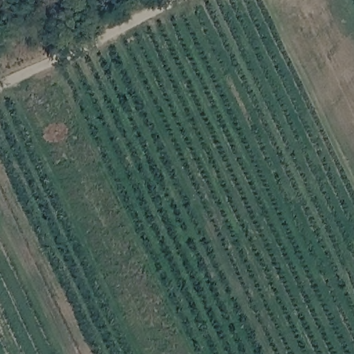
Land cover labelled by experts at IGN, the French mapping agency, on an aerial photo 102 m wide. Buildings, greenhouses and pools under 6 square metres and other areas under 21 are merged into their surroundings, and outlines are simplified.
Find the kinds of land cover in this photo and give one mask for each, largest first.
<instances>
[{"label":"agricultural land","instance_id":"1","mask_svg":"<svg viewBox=\"0 0 354 354\"><path fill-rule=\"evenodd\" d=\"M169 1L173 4L170 14H159L156 18H149L136 28L127 30L111 44L101 47L97 53L100 59L97 64H93V61L86 62L83 57L72 59L68 55L66 71L71 75L75 72V64H79L87 83L91 86L90 90H84L82 97L73 100L71 86L62 75H59L54 66L22 80L17 86L6 88L0 94V354H354V0H169Z\"/></svg>","mask_w":354,"mask_h":354},{"label":"deciduous trees","instance_id":"2","mask_svg":"<svg viewBox=\"0 0 354 354\"><path fill-rule=\"evenodd\" d=\"M169 1V0H65L62 6L65 10L61 14L47 17L46 7L40 0H0V57L6 53L8 47L14 48L18 40H25L26 46L32 51L43 48L50 55L57 54L54 66L59 75H62L71 86L73 100L82 97L84 90H90L91 86L87 83L79 64H75V72L71 75L66 71L68 55V47L76 41L86 43L95 40L105 32V29L129 21L134 12L167 6Z\"/></svg>","mask_w":354,"mask_h":354},{"label":"pervious surface","instance_id":"3","mask_svg":"<svg viewBox=\"0 0 354 354\"><path fill-rule=\"evenodd\" d=\"M173 4L169 1L167 6L134 12L129 21L105 29V32L95 40L86 43L76 41L68 47V55L72 59L83 57L86 62L93 61V64H97L100 59L97 53L101 47L111 44L127 30L136 28L149 18H156L159 14H170ZM57 54L50 55L44 61L7 76L3 84H0V94L6 88L17 86L22 80L54 66Z\"/></svg>","mask_w":354,"mask_h":354},{"label":"herbaceous vegetation","instance_id":"4","mask_svg":"<svg viewBox=\"0 0 354 354\"><path fill-rule=\"evenodd\" d=\"M46 7L47 17L61 14L65 10L62 6L65 0H40ZM50 55L43 48L32 51L26 46L25 40H18L14 48L8 47L6 53L0 57V84H3L7 76L44 61Z\"/></svg>","mask_w":354,"mask_h":354}]
</instances>
